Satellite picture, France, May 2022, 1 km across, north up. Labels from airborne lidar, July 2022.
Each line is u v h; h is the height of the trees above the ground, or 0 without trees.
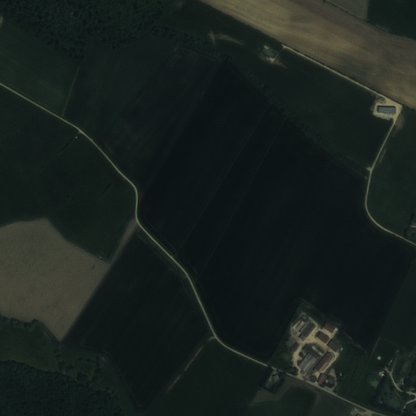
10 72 0
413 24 0
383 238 0
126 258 0
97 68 0
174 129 0
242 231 0
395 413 18
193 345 0
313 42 0
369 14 0
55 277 0
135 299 0
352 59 0
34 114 0
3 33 0
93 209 0
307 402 0
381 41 0
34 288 0
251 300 0
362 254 0
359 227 0
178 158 0
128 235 0
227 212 0
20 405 24
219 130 0
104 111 0
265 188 0
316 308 0
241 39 0
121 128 0
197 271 0
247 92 0
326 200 0
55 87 0
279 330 0
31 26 17
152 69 0
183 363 0
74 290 0
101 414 25
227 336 0
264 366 0
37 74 0
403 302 0
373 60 0
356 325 0
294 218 0
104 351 0
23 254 0
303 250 0
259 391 0
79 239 0
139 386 0
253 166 0
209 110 0
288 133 0
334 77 0
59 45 21
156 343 0
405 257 0
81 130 0
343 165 0
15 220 0
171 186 0
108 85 0
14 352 0
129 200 0
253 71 0
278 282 0
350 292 0
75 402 24
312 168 0
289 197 0
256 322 0
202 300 0
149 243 0
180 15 0
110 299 0
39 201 0
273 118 0
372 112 0
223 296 0
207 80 0
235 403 0
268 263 0
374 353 0
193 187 0
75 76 0
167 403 0
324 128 0
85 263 0
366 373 0
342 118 0
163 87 0
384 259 0
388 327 0
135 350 0
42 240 0
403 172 0
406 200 0
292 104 0
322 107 0
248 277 0
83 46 14
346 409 0
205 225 0
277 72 0
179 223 0
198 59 0
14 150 0
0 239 0
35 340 0
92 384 13
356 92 0
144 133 0
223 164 0
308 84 0
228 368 0
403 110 0
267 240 0
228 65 0
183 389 0
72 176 0
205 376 0
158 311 0
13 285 0
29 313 0
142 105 0
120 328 0
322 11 0
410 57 0
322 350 0
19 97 0
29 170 0
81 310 0
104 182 0
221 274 0
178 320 0
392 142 0
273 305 0
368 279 0
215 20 0
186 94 0
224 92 0
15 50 0
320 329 0
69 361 0
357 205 0
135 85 0
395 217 0
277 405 0
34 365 0
